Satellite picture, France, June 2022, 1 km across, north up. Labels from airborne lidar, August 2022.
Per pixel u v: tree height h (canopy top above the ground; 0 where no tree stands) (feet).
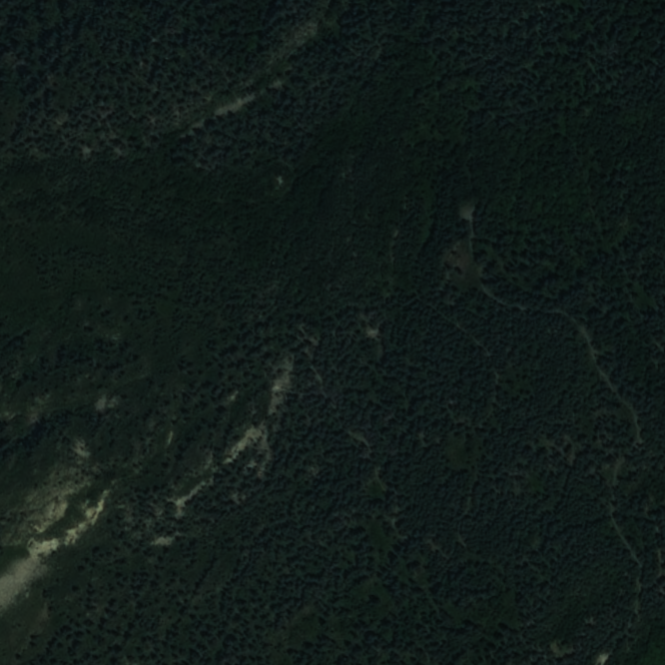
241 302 47
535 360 51
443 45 105
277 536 67
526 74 96
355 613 22
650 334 69
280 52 55
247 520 32
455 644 73
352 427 81
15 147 32
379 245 50
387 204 54
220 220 44
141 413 0
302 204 27
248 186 37
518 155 33
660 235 37
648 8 57
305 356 76
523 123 75
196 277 21
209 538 35
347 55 76
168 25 96
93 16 19
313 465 57
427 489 76
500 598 41
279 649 24
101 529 0
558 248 100
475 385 65
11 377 45
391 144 44
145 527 69
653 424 74
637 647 30
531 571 56
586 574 46
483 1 85
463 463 18
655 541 50
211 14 33
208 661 80
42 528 0
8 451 31
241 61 70
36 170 37
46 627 0
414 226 40
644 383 19
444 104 35
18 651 0
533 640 73
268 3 24
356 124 43
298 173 42
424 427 64
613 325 25
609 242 49
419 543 68
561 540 71
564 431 64
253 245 24
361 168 36
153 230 50
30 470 0
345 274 41
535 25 97
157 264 32
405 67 34
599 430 59
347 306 33
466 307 52
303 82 89
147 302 24
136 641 25
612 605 39
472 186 28
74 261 42
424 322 43
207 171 29
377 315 92
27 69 28
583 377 24
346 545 99
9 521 52
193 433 19
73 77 63
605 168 58
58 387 31
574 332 26
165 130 40
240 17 53
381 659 33
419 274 45
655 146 68
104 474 31
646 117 29
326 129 56
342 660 67
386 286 50
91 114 19
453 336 65
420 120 50
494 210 30
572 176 58
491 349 70
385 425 20
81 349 39
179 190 30
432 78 42
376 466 63
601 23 85
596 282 88
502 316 55
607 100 36
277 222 29
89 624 76
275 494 84
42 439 42
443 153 44
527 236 32
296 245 28
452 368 63
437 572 37
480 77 74
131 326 32
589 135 51
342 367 93
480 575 52
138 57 71
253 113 69
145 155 45
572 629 53
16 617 0
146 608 31
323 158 22
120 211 38
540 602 79
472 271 0
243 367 68
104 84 26
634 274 26
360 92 32
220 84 73
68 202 29
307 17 33
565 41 94
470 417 56
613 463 91
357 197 52
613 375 41
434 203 25
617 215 72
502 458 68
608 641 57
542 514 32
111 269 19
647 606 73
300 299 31
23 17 23
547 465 74
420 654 85
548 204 53
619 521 72
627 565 44
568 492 64
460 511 43
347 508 79
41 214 24
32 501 0
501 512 65
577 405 47
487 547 63
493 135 38
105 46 29
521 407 74
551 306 57
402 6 38
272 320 66
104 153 44
